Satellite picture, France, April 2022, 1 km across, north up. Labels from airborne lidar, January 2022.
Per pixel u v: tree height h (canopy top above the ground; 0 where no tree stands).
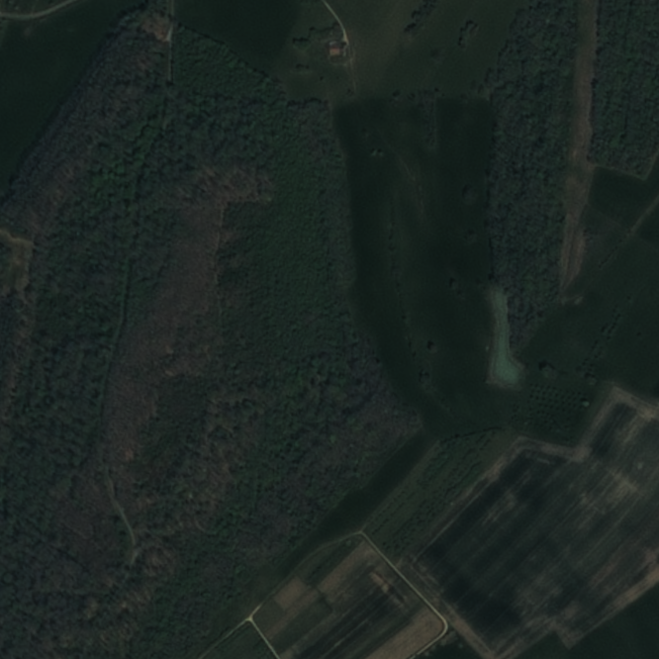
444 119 0
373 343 20
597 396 0
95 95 21
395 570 0
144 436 15
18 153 0
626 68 22
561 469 0
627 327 0
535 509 0
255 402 13
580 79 0
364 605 0
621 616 0
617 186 0
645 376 0
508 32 0
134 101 26
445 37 0
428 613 0
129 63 24
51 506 24
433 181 0
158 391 15
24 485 26
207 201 12
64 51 0
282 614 0
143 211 22
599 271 0
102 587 19
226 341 10
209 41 12
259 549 27
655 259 0
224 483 30
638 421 0
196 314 14
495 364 0
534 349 0
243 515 21
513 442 0
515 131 25
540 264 27
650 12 24
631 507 0
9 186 0
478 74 0
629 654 0
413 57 0
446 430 0
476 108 0
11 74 0
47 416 24
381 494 0
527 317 24
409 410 11
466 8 0
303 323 10
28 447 29
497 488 0
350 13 0
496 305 0
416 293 0
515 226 24
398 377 0
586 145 0
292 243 10
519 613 0
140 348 14
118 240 12
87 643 25
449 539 0
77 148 24
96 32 0
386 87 0
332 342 14
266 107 21
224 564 25
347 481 17
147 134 19
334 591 0
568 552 0
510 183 14
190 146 23
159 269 19
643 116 20
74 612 28
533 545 0
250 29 0
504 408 0
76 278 27
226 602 17
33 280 17
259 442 25
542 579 0
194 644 19
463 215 0
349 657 0
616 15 23
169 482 7
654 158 12
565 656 0
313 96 0
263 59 0
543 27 26
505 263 24
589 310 0
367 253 0
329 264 10
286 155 10
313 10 0
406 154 0
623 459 0
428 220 0
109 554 16
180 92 21
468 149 0
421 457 0
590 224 0
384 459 16
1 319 20
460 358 0
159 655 20
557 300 12
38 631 29
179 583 23
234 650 0
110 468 18
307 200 10
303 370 14
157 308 12
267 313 8
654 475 0
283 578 0
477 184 0
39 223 21
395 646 0
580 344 0
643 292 0
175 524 27
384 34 0
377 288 0
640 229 0
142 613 28
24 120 0
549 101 23
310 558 0
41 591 28
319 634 0
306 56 0
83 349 22
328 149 21
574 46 21
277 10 0
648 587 0
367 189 0
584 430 0
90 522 18
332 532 0
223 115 14
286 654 0
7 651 10
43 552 24
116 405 16
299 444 21
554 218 24
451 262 0
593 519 0
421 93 0
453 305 0
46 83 0
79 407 24
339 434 28
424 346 0
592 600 0
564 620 0
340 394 26
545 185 28
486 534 0
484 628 0
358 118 0
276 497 27
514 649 0
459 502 0
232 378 12
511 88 20
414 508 0
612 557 0
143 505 16
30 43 0
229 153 21
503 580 0
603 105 25
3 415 25
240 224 8
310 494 26
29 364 23
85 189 25
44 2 0
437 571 0
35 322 22
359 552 0
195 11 0
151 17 19
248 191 23
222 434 16
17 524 29
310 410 25
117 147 27
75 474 21
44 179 24
